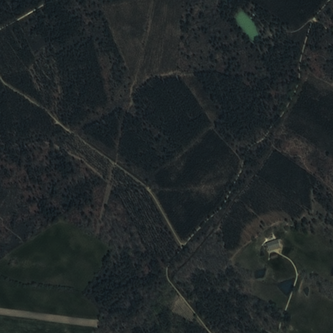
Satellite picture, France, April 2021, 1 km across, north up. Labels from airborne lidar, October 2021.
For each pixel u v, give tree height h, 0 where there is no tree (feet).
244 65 37
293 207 47
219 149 23
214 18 33
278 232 0
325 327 0
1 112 57
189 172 20
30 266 0
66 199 56
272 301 0
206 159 27
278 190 43
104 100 63
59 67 41
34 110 41
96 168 52
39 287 49
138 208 52
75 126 59
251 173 44
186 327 58
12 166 23
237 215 50
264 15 51
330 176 32
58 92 46
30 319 0
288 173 45
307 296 0
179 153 38
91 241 0
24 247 0
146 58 28
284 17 19
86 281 0
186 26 61
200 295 74
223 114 22
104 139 59
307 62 24
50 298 0
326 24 35
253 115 65
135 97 50
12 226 38
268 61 49
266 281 0
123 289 72
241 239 52
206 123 65
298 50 55
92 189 33
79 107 59
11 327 0
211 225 33
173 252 60
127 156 55
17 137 43
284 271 0
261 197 40
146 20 0
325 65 28
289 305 0
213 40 46
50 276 0
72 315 0
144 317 39
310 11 21
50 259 0
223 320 62
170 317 41
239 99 56
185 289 49
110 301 65
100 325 20
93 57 53
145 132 59
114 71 48
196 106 69
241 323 62
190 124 70
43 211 52
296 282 0
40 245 0
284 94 36
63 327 0
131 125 64
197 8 41
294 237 0
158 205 0
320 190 62
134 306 74
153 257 61
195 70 39
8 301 0
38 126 48
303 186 38
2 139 48
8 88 44
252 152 34
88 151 51
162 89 71
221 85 49
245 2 50
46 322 0
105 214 46
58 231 0
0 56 54
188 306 0
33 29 41
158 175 24
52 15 47
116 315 72
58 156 46
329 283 57
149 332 29
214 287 76
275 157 44
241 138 29
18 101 57
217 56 56
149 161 65
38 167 50
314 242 0
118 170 51
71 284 0
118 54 46
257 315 36
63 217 42
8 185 30
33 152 42
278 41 53
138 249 64
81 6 63
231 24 53
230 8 53
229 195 38
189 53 39
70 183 26
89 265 0
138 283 84
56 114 53
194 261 43
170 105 70
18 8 35
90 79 57
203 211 24
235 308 33
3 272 0
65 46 42
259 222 0
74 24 51
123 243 36
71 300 0
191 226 22
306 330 0
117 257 42
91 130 65
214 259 59
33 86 54
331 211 69
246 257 0
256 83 42
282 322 73
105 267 45
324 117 23
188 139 58
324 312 0
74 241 0
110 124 70
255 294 0
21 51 50
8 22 47
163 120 56
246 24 0
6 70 49
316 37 41
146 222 60
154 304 60
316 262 0
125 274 61
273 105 19
